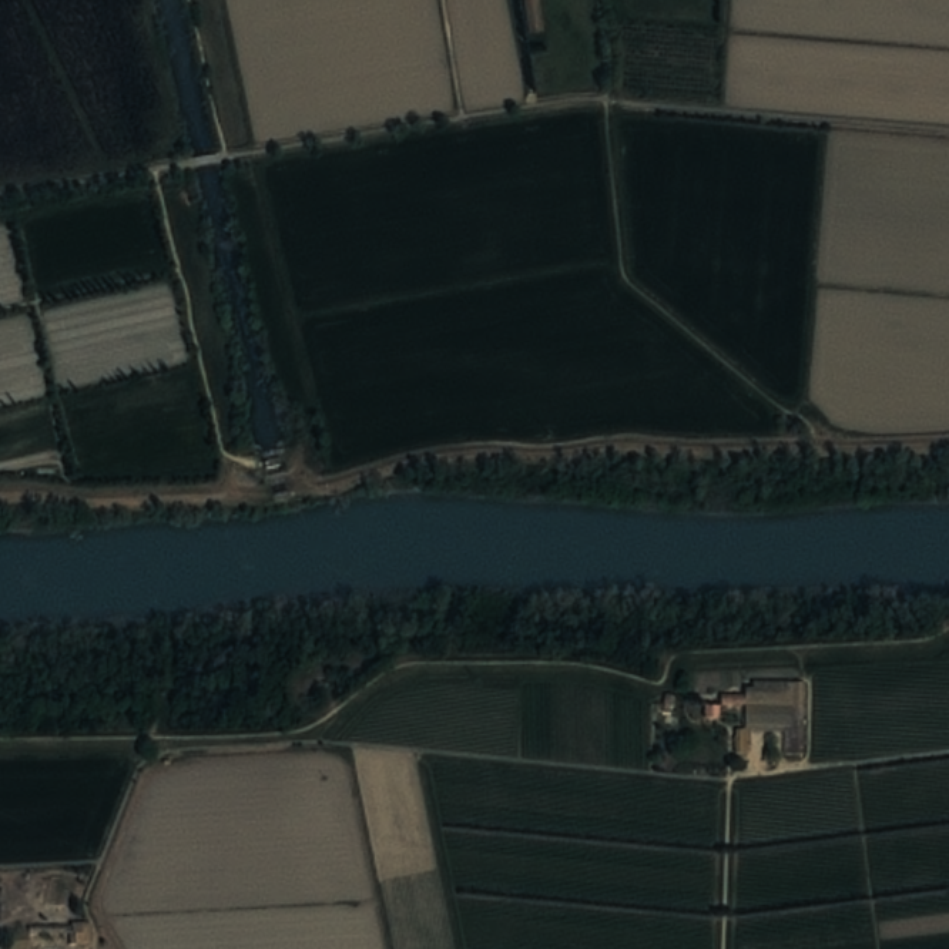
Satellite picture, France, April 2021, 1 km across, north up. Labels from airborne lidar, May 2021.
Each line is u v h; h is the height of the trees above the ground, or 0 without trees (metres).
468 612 23
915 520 0
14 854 0
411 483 12
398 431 0
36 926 0
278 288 0
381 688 0
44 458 0
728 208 0
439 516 0
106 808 0
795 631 9
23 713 17
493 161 0
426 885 0
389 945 0
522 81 0
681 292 0
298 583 0
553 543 0
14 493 0
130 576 0
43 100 10
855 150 0
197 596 0
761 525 0
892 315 0
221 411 0
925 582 0
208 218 14
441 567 0
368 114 0
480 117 0
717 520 0
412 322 0
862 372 0
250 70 0
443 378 0
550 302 0
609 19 16
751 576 0
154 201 8
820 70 0
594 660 15
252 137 0
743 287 0
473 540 0
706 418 0
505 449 0
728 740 11
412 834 0
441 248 0
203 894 0
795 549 0
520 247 0
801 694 0
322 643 21
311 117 0
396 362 0
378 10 0
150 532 0
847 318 0
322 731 0
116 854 0
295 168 0
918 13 0
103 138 10
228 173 12
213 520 12
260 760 0
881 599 21
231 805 0
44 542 0
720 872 0
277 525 0
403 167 0
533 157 0
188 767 0
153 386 0
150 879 0
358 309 0
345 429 0
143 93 15
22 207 17
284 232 0
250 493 0
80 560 0
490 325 0
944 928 0
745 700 0
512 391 0
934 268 0
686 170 0
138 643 20
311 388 0
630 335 0
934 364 0
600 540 0
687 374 0
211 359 0
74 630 20
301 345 0
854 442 0
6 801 0
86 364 0
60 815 0
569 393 0
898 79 0
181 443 0
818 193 0
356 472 0
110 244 0
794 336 0
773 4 0
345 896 0
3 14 9
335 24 0
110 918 0
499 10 0
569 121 0
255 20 0
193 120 0
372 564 0
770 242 0
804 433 23
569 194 0
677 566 0
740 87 0
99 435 0
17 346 0
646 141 0
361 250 0
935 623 28
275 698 20
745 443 0
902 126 0
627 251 0
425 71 0
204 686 25
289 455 0
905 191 0
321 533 0
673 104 0
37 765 0
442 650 17
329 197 0
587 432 0
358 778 0
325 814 0
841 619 29
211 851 0
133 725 14
